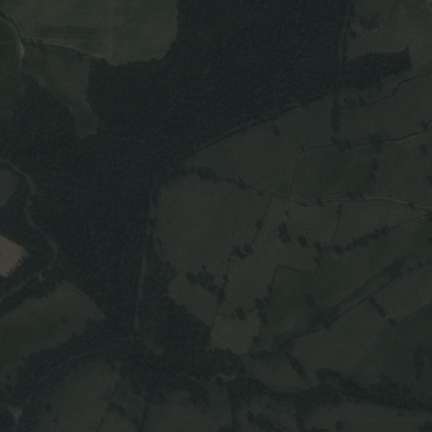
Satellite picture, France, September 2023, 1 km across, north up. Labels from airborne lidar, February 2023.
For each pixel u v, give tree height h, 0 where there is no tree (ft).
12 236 50
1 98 0
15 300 30
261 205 0
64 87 0
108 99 52
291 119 0
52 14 0
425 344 0
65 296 0
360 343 0
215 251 0
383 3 0
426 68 0
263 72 21
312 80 71
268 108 26
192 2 65
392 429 0
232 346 0
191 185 0
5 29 0
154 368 65
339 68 42
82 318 0
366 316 0
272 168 0
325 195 0
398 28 0
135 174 47
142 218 18
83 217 19
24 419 22
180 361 56
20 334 0
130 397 0
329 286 0
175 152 71
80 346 31
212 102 56
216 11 48
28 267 68
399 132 0
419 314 0
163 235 0
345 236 0
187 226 0
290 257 0
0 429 19
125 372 66
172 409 0
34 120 48
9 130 54
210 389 0
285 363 0
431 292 0
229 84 73
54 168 51
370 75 40
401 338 0
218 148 0
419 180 0
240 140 0
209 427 0
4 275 0
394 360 0
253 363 0
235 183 26
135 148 48
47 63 0
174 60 52
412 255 0
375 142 58
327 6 69
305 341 0
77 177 62
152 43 0
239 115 30
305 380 0
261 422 67
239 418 0
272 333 0
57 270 58
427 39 0
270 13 66
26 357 0
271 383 0
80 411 0
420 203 0
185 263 0
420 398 0
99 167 67
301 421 40
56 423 22
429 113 0
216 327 0
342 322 0
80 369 0
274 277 0
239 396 30
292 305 0
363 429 0
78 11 0
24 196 22
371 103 0
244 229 0
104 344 22
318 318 0
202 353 42
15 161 56
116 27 0
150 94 77
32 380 33
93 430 0
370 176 0
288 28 49
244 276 0
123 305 26
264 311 0
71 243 28
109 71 24
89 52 0
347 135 0
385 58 26
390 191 0
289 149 0
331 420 0
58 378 46
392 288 0
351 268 0
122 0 0
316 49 45
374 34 0
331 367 0
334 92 57
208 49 49
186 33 17
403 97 0
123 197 51
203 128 65
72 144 52
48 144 29
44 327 0
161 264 22
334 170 0
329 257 0
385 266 0
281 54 38
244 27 49
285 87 52
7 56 0
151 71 18
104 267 68
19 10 0
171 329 63
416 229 0
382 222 0
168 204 0
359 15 0
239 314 51
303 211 0
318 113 0
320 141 0
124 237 20
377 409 0
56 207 48
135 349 73
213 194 0
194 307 0
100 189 67
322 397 45
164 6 0
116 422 0
